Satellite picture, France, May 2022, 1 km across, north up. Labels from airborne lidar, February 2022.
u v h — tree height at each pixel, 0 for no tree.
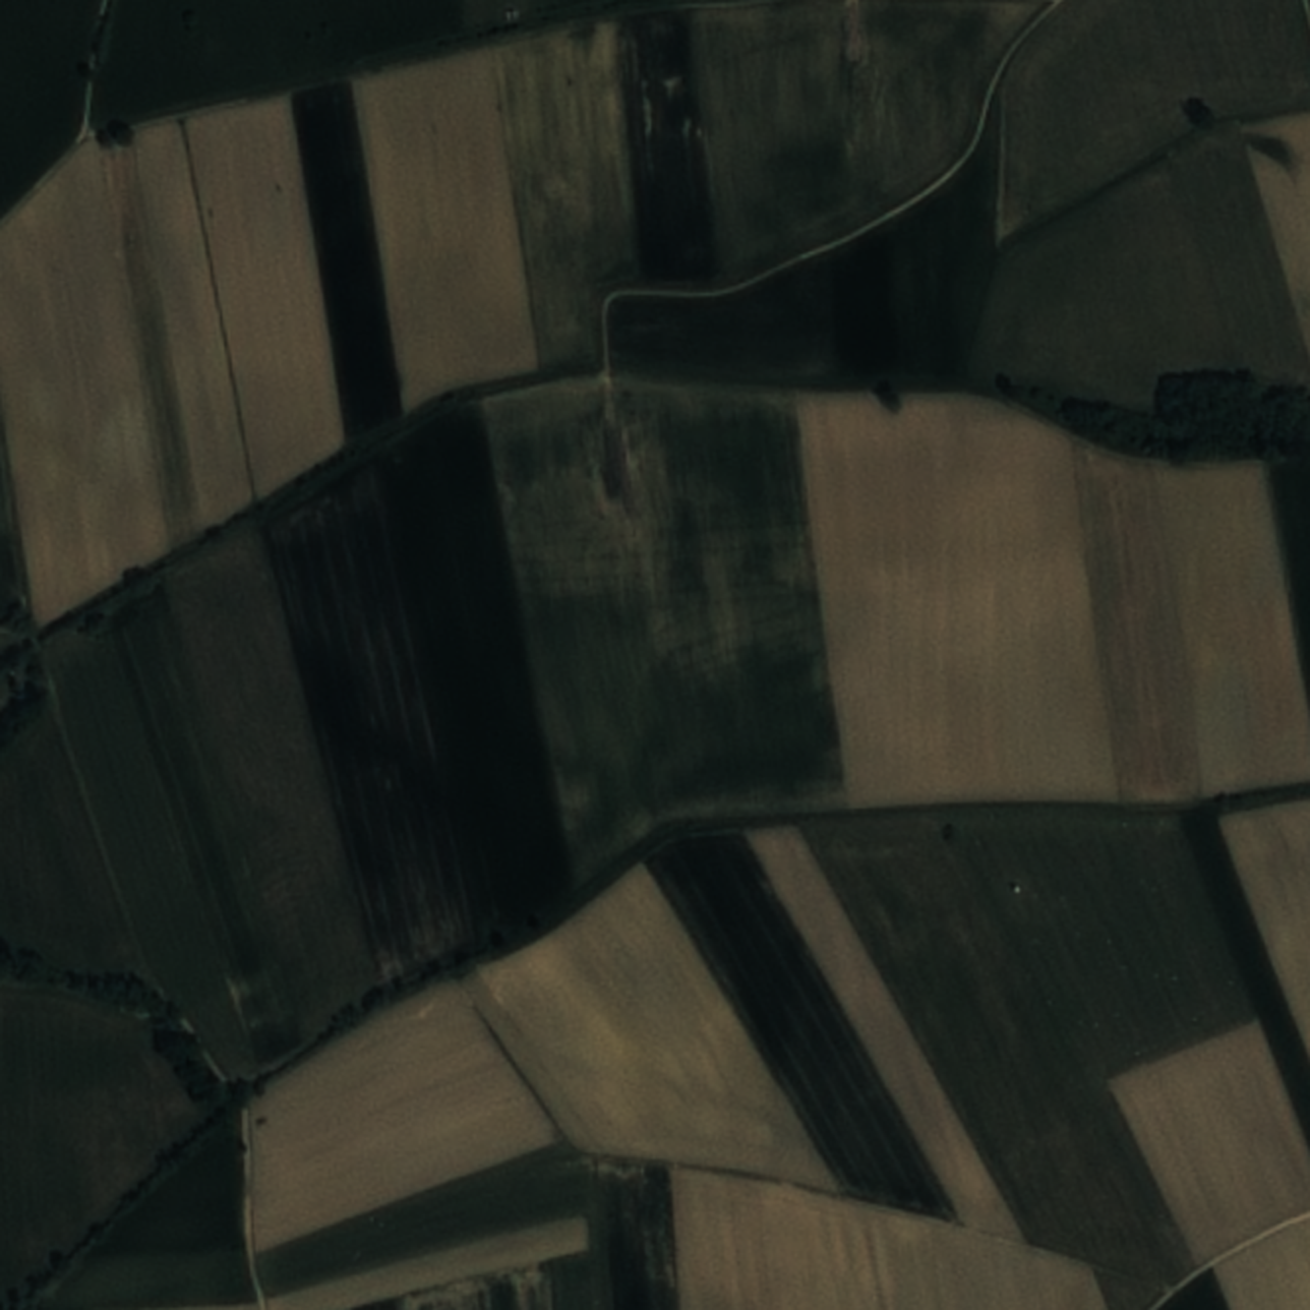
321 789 0
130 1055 0
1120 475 0
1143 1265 0
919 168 0
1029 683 0
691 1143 0
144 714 0
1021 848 0
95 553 0
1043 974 0
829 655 0
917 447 0
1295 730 0
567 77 0
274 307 0
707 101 0
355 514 0
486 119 0
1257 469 0
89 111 0
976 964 0
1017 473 0
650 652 0
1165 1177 0
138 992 18
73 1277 0
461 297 0
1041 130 0
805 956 0
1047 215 0
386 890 0
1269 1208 0
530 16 0
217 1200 0
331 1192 0
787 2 0
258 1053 0
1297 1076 0
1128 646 0
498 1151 0
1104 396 0
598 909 0
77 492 0
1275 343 0
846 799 0
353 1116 0
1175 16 0
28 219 0
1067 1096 0
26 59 0
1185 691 0
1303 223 0
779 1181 0
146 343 0
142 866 0
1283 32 0
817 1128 0
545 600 0
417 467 0
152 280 0
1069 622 0
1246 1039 0
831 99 0
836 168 0
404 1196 0
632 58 0
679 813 0
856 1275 0
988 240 0
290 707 0
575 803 0
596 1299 0
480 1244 0
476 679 0
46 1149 0
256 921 0
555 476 0
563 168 0
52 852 0
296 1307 0
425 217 0
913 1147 0
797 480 0
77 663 0
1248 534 0
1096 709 0
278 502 0
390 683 0
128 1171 0
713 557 0
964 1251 0
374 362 0
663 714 0
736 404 0
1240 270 0
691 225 0
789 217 0
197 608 0
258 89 0
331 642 0
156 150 0
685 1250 0
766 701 0
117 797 0
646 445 0
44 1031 0
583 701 0
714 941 0
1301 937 0
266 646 0
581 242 0
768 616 0
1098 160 0
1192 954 0
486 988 0
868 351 0
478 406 0
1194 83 0
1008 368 0
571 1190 0
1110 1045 0
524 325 0
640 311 0
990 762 0
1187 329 0
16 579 0
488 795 0
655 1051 0
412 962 0
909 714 0
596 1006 0
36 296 0
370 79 0
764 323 0
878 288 0
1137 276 0
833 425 0
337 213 0
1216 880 0
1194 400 19
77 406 0
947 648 0
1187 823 0
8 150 0
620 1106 0
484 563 0
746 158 0
